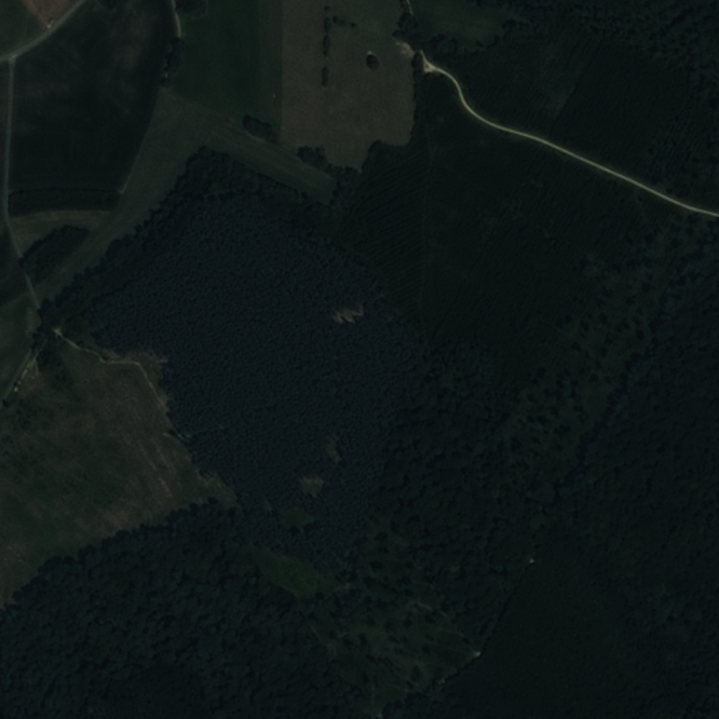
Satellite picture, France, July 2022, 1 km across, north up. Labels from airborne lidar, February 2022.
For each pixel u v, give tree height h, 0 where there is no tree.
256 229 26
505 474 31
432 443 22
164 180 0
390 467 26
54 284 0
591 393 0
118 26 0
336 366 22
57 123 0
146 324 22
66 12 0
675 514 31
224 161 19
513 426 27
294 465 22
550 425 28
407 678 0
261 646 27
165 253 27
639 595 26
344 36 0
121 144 0
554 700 13
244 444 20
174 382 20
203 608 30
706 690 22
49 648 29
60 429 0
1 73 0
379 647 0
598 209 7
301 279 25
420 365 24
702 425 30
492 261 6
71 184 0
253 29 0
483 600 25
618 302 26
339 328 25
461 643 0
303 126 0
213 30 0
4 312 0
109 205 9
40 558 0
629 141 6
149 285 20
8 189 0
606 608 13
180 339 23
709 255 28
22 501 0
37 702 31
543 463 26
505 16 0
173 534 24
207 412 24
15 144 0
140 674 16
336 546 23
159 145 0
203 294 24
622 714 12
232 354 22
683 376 28
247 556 22
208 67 0
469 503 24
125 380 0
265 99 0
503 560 22
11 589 0
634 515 27
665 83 5
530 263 6
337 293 25
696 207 0
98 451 0
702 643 17
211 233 23
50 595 29
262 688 25
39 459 0
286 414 22
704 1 26
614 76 8
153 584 32
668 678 21
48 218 0
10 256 0
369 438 27
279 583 0
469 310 7
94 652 34
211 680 16
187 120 0
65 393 0
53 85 0
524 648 13
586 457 28
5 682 30
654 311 0
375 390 24
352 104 0
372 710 25
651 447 29
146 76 0
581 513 30
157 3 0
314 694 29
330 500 23
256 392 23
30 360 0
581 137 6
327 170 10
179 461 0
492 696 14
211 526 27
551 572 13
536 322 9
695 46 25
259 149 0
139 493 0
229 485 24
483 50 21
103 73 0
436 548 26
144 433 0
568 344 0
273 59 0
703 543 24
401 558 0
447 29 0
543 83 0
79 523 0
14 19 0
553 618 12
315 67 0
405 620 0
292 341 23
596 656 14
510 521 26
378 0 0
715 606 16
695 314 27
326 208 14
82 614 29
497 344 10
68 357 0
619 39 19
